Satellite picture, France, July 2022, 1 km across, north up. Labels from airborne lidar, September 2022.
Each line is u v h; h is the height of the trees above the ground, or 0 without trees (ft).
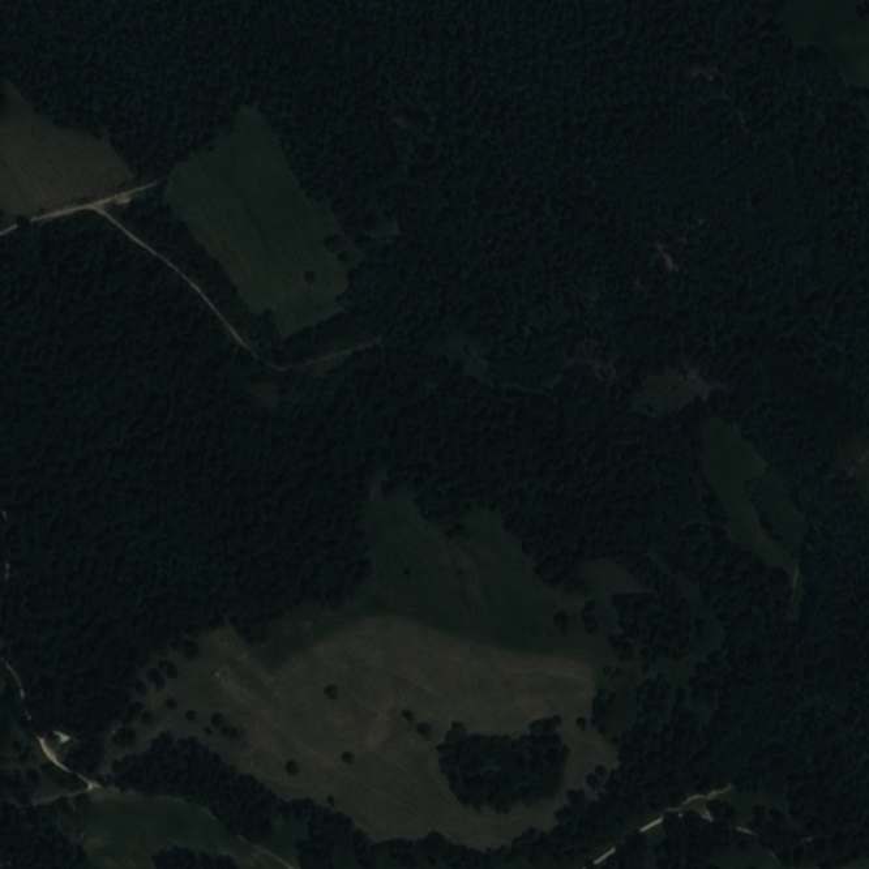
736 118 50
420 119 81
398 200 38
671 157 30
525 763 87
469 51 66
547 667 0
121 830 0
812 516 91
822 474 81
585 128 61
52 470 60
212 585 89
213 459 81
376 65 57
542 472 95
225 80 67
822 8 0
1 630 35
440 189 20
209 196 0
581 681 0
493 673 0
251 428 69
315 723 0
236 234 0
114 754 0
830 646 68
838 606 62
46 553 23
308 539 85
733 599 91
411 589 0
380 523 0
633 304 46
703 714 0
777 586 89
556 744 61
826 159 82
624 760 49
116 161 0
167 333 70
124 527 59
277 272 0
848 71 0
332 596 71
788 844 59
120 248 54
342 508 79
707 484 25
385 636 0
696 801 0
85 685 69
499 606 0
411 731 0
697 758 75
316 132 42
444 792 0
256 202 0
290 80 40
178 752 78
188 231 52
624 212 54
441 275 47
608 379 73
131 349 66
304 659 0
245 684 0
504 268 71
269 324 31
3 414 67
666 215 64
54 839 86
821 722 63
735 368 44
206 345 62
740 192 49
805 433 36
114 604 26
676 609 83
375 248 37
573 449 57
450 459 69
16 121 0
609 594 0
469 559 0
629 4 69
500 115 74
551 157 52
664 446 86
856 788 78
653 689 64
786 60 85
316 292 0
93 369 45
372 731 0
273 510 87
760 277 48
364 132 40
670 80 61
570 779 0
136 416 56
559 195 59
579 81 69
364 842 81
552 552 31
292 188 0
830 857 35
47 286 22
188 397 38
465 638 0
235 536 92
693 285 63
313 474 78
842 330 102
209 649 0
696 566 67
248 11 35
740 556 63
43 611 53
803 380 20
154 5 48
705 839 68
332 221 0
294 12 35
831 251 104
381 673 0
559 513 64
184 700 0
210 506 92
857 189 73
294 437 86
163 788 62
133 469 85
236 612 85
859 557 78
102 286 82
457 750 29
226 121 76
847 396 30
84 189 0
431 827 0
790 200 47
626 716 0
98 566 52
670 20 54
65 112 41
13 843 78
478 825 0
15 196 0
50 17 74
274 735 0
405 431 37
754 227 38
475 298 32
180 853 66
